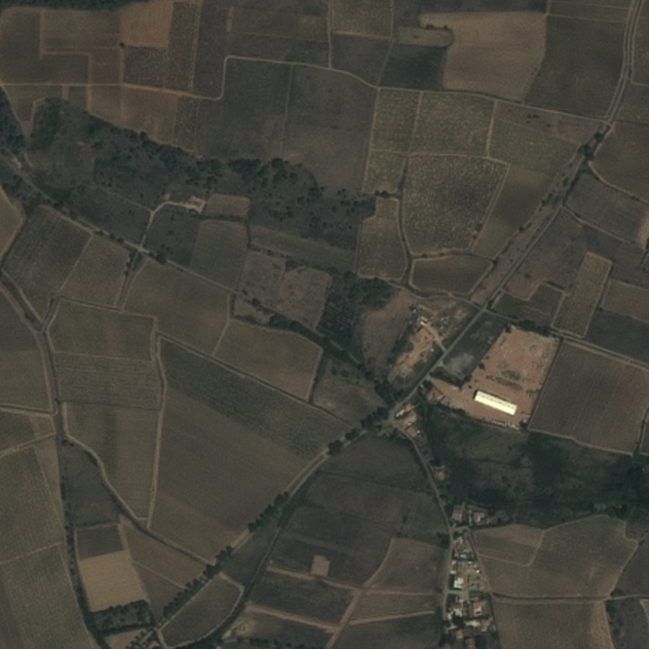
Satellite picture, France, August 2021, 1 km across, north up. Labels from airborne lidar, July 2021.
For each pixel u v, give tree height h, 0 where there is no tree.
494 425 0
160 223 0
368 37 0
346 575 0
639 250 0
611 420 0
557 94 0
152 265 0
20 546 0
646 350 0
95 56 0
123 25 0
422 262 0
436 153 0
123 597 0
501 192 0
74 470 0
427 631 0
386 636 0
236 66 0
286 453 0
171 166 12
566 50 0
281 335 0
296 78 0
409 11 0
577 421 0
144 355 0
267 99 0
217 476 0
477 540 0
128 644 0
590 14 0
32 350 0
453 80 0
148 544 0
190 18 0
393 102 0
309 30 0
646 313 0
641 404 0
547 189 0
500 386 0
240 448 0
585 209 0
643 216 0
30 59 0
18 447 0
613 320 0
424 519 0
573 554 0
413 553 0
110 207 0
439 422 0
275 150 0
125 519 0
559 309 0
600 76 0
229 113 0
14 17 0
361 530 0
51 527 0
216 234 0
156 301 0
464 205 0
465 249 0
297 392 0
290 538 0
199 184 8
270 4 0
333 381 0
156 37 0
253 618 0
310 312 0
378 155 0
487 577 0
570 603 0
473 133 0
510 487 8
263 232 0
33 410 0
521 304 0
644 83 0
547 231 0
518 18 0
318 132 0
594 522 0
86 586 0
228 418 0
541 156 0
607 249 0
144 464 0
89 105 0
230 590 0
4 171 0
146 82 0
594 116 0
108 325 0
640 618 0
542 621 0
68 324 0
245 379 0
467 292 0
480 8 0
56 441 0
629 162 0
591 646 0
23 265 0
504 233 0
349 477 0
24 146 16
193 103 0
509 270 0
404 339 0
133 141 10
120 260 0
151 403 0
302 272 0
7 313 0
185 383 0
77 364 0
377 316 0
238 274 0
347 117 0
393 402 11
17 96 0
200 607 0
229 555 12
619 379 0
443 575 0
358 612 0
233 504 0
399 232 0
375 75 0
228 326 0
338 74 0
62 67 0
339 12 0
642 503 15
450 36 0
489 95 0
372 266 0
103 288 0
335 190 0
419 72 0
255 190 8
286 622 0
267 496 0
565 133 0
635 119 0
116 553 0
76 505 0
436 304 0
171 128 0
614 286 0
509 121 0
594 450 0
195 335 0
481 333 0
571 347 0
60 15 0
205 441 0
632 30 0
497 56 0
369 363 0
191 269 0
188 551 0
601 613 0
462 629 15
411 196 0
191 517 0
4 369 0
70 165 0
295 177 10
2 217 0
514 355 0
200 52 0
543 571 0
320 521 0
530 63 0
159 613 0
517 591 0
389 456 0
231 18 0
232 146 0
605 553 0
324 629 0
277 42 0
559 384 0
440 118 0
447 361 0
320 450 0
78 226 0
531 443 0
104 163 6
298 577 0
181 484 0
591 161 11
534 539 0
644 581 0
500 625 0
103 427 0
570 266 0
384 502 0
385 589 0
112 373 0
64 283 0
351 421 0
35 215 0
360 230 0
